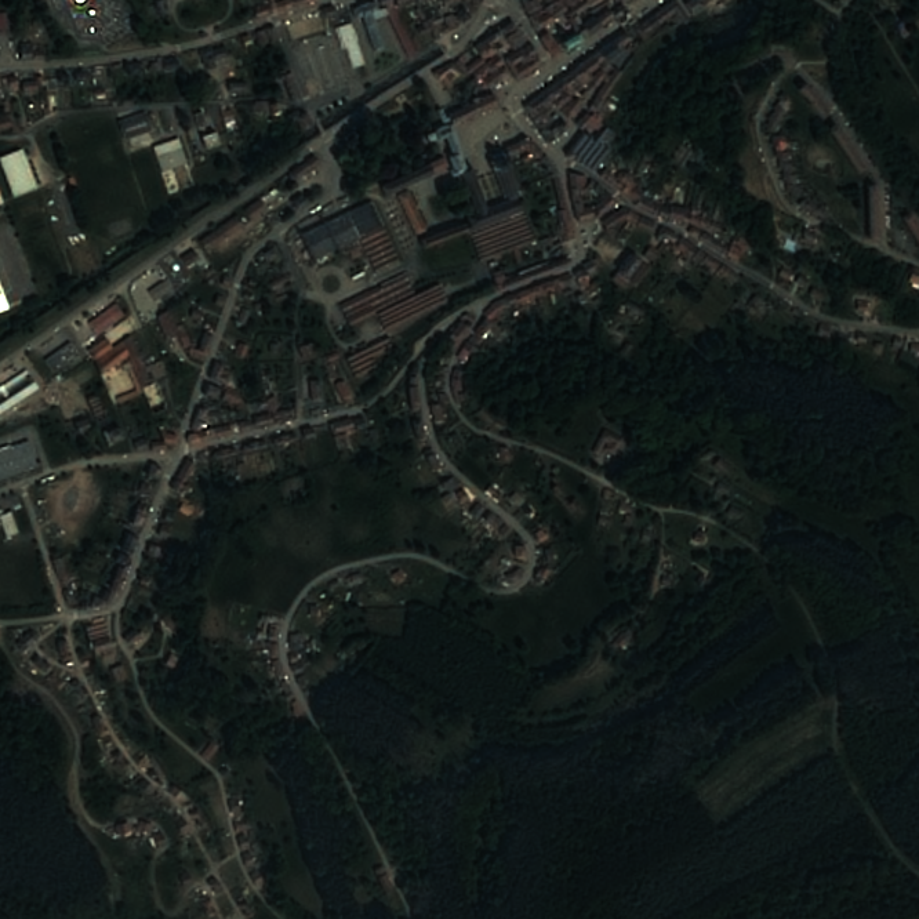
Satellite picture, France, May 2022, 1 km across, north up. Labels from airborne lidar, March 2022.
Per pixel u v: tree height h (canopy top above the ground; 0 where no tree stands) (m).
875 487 22
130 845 0
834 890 32
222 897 0
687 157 0
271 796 0
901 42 0
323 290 0
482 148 0
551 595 0
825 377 30
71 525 0
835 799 11
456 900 27
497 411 17
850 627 20
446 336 11
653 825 17
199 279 0
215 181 0
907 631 28
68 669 0
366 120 26
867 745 12
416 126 18
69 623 0
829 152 0
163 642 0
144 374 0
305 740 29
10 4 14
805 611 0
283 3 0
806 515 0
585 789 22
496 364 9
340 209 0
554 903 15
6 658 16
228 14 0
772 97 0
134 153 0
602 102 0
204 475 0
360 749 22
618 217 0
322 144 0
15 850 27
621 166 0
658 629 0
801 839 12
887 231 0
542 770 30
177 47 0
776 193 0
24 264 0
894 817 17
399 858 18
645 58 0
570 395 21
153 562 6
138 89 10
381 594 0
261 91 13
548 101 0
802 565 20
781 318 0
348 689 27
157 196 0
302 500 15
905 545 26
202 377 0
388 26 0
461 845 28
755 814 9
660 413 30
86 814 0
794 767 0
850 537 0
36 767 19
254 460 0
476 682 8
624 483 24
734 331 0
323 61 0
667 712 22
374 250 0
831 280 15
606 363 27
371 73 0
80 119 0
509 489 0
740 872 12
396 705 20
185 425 0
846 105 12
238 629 0
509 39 0
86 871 25
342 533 0
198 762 0
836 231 10
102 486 0
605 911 10
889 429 23
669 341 8
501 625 0
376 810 21
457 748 0
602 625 9
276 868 14
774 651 0
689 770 24
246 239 0
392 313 0
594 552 0
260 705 7
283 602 0
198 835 0
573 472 0
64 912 29
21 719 18
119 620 0
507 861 22
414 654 8
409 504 0
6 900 20
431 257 0
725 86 21
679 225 0
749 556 11
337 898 31
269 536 0
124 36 0
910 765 9
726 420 29
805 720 0
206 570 23
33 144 0
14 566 0
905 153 18
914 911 14
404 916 0
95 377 0
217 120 0
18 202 0
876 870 29
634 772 28
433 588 0
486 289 10
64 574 0
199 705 27
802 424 27
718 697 0
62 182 0
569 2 0
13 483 0
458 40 0
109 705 0
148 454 0
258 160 27
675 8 0
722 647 17
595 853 12
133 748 0
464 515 0
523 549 0
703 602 14
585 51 0
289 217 10
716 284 0
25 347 0
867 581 28
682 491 23
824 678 20
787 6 6
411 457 12
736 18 0
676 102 19
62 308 6
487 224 0
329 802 32
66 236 0
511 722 7
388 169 27
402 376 0
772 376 35
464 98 6
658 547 7
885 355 0
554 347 14
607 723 9
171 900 0
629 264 0
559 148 0
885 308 0
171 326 0
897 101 0
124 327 0
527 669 12
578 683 0
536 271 0
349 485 0
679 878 12
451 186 23
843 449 21
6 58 0
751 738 13
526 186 7
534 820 22
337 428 0
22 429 0
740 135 22
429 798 23
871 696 18
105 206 0
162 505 0
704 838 18
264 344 0
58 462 0
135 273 0
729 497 8
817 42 0
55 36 8
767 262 17
